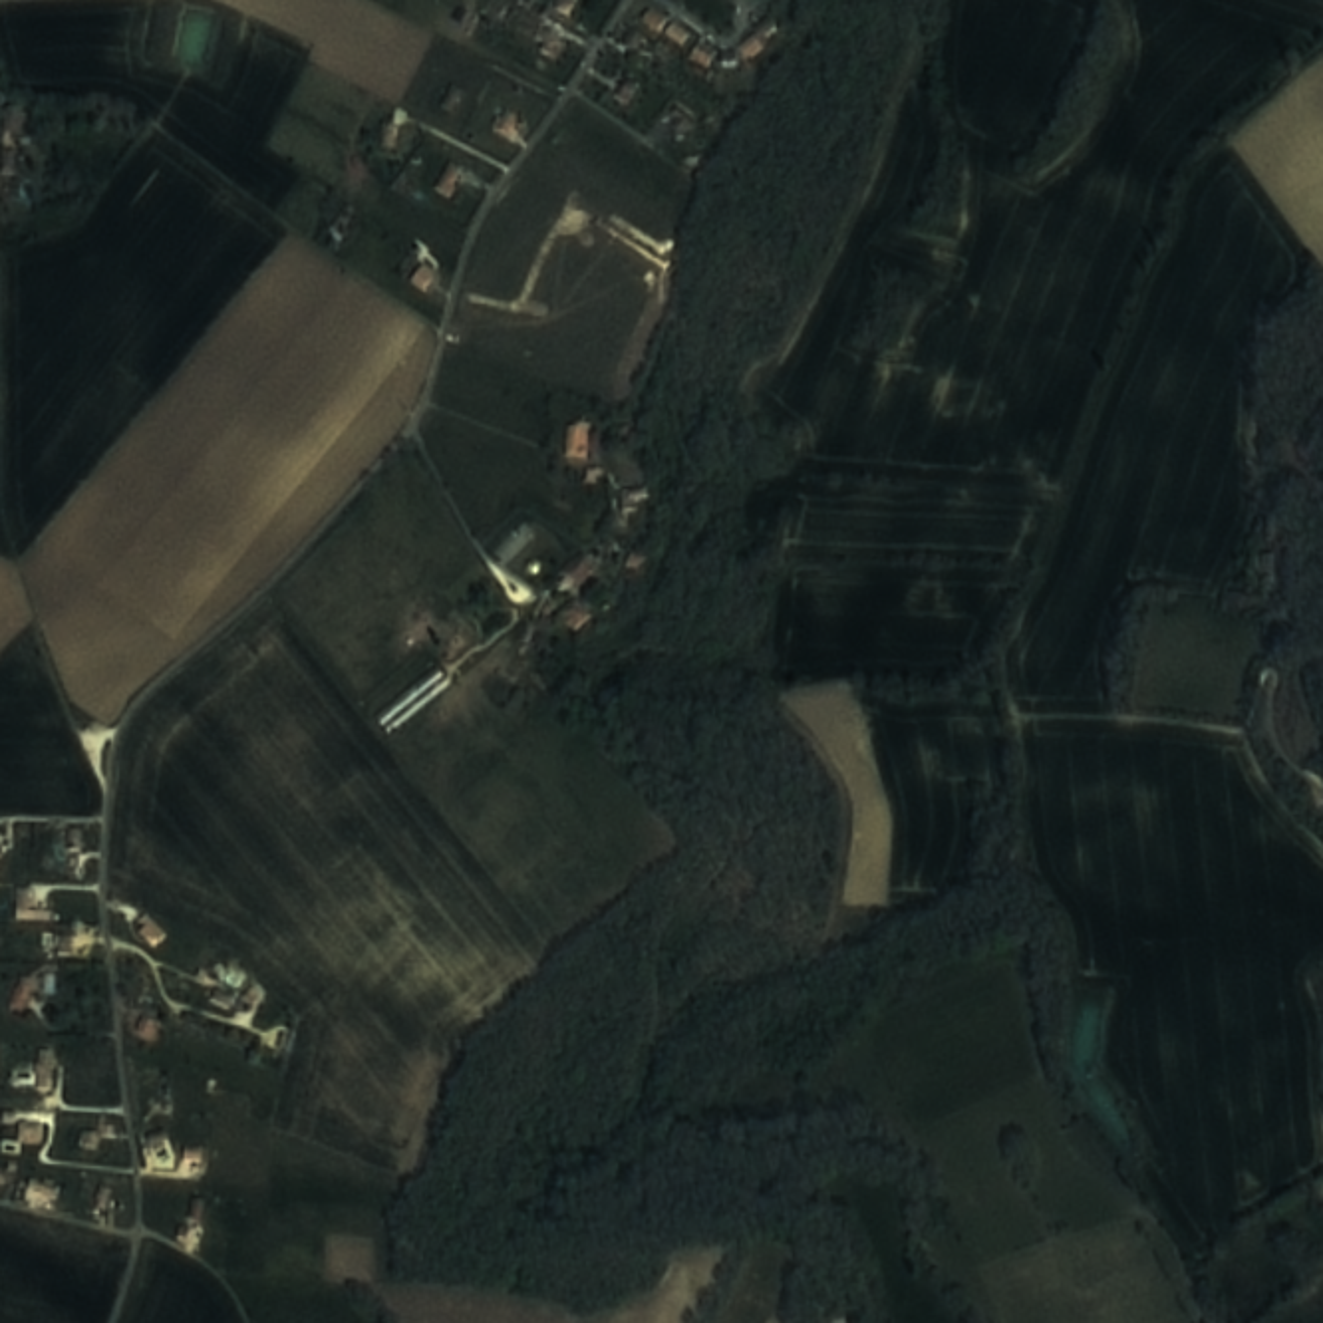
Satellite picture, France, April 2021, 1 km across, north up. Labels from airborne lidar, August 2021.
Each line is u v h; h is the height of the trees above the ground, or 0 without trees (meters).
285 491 0
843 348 0
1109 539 0
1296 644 18
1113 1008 0
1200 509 0
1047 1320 0
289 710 0
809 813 16
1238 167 0
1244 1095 0
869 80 19
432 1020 0
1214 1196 0
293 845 0
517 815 0
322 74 0
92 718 0
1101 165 0
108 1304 0
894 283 14
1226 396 0
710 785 18
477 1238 24
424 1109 0
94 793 0
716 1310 16
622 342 0
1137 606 14
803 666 0
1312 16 0
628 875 0
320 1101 0
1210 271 0
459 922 0
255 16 0
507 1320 0
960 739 0
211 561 0
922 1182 22
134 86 0
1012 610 11
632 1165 21
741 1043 26
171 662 0
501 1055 13
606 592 12
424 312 0
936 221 14
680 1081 24
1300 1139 0
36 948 0
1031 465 0
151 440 0
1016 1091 0
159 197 0
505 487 0
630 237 0
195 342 0
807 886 15
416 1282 17
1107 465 0
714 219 17
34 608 0
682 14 0
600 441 9
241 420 0
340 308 0
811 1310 17
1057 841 0
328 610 0
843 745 0
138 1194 0
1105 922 0
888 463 0
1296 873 0
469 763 0
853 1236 19
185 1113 0
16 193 9
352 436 0
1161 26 0
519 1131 16
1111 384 0
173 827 0
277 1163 0
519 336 0
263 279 0
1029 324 0
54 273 0
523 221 0
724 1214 21
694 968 19
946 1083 0
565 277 0
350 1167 0
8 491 0
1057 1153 0
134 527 0
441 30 0
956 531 0
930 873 0
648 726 18
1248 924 0
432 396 0
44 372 0
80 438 0
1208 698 0
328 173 0
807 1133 19
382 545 0
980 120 0
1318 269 17
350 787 0
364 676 0
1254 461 14
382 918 0
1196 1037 0
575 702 21
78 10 0
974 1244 0
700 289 20
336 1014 0
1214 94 0
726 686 17
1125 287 0
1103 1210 0
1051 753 0
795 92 21
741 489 21
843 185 21
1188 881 0
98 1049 0
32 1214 0
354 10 0
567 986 17
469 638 0
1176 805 0
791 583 0
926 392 0
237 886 0
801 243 19
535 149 0
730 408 20
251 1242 0
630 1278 14
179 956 0
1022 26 0
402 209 0
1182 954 0
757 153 19
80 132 10
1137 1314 0
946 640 0
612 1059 21
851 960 22
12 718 0
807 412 0
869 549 0
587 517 0
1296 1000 0
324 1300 0
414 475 0
